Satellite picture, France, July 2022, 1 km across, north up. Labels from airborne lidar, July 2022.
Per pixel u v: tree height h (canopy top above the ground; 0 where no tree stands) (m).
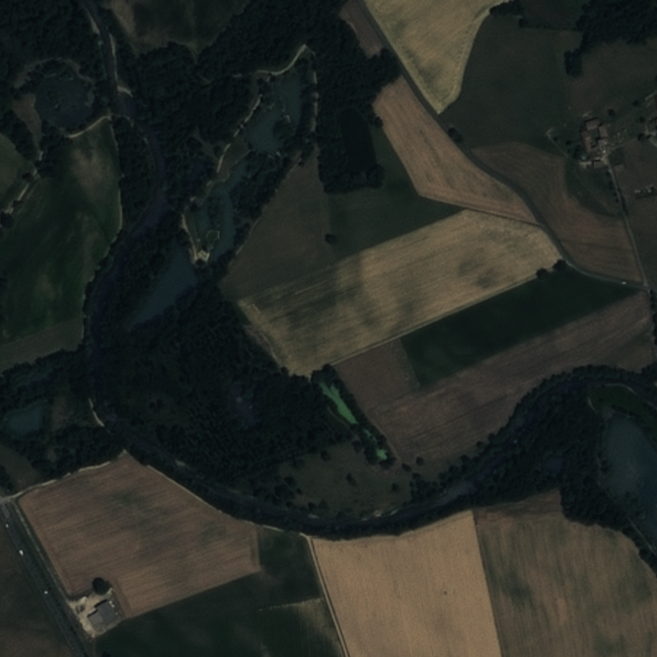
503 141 0
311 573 0
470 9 0
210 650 0
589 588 0
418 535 0
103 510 0
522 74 0
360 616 0
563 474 13
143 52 0
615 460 0
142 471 0
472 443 0
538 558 0
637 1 16
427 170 0
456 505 15
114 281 8
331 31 27
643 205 0
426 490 17
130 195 14
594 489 21
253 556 0
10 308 0
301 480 0
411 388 0
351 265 0
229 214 0
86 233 0
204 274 19
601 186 0
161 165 0
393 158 0
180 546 0
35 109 0
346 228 0
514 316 0
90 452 27
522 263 0
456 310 0
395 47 0
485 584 0
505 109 0
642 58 0
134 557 0
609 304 0
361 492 0
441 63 0
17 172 0
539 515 0
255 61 22
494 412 0
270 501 11
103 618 0
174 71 7
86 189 0
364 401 0
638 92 0
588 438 13
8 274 10
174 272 0
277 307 0
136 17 0
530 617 0
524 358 0
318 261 0
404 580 0
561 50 0
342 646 0
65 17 23
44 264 0
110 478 0
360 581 0
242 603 0
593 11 21
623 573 0
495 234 0
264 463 26
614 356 0
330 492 0
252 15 17
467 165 0
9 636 0
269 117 0
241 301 0
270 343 0
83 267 0
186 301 21
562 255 0
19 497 0
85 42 26
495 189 0
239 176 0
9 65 13
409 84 0
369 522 0
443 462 0
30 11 20
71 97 0
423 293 0
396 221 0
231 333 32
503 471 16
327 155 15
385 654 0
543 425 23
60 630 0
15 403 15
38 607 0
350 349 0
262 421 11
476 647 0
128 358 28
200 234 0
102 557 0
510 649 0
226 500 9
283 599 0
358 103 12
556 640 0
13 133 15
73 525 0
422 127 0
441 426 0
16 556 0
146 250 24
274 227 0
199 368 34
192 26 0
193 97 11
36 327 0
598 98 0
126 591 0
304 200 0
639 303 0
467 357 0
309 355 0
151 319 0
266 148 0
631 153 0
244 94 22
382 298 0
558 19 0
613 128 0
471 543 0
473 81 0
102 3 11
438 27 0
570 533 0
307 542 0
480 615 0
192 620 0
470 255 0
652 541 6
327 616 0
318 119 12
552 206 0
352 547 0
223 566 0
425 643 0
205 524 0
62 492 0
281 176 15
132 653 0
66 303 0
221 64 20
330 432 24
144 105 10
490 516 0
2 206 0
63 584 0
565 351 0
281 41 20
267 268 0
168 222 18
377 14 0
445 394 0
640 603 0
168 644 0
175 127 28
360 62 9
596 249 0
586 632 0
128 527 0
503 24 0
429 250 0
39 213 0
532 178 0
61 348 0
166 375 33
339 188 17
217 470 23
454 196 0
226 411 18
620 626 0
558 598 0
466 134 0
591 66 0
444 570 0
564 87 0
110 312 28
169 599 0
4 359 0
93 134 0
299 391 12
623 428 0
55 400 8
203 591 0
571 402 24
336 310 0
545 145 0
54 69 25
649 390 12
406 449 0
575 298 0
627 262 0
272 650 0
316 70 20
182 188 17
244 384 17
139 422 15
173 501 0
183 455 33
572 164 0
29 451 12
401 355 0
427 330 0
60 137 8
